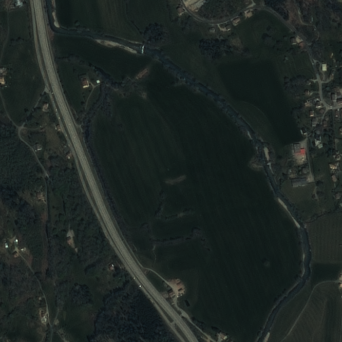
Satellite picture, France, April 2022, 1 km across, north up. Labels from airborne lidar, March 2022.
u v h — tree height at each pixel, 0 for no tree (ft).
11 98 0
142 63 0
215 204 0
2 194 83
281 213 0
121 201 0
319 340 0
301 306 0
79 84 0
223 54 47
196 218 0
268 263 67
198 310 0
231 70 0
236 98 0
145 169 0
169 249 0
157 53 0
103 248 58
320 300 0
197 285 0
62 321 0
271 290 0
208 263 0
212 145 0
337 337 0
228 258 0
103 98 59
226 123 0
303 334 0
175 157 0
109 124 0
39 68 0
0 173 20
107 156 0
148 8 0
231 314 0
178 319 0
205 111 0
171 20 22
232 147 0
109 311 96
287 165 0
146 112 0
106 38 0
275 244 0
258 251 0
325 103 0
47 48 0
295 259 0
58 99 0
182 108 0
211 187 0
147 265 0
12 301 35
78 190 33
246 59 0
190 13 0
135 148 0
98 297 0
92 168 0
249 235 0
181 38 0
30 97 0
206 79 0
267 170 0
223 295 0
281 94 0
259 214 0
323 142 0
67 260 77
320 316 0
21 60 0
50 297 0
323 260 0
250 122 0
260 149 34
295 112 51
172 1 0
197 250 0
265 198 0
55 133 0
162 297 0
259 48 0
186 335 0
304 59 0
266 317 0
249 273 0
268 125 0
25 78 0
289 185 0
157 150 0
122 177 0
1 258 0
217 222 0
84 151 0
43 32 0
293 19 0
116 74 0
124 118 0
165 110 0
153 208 0
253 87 0
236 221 0
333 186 0
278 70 0
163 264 0
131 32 0
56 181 58
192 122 0
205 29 0
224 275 0
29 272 22
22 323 0
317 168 0
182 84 68
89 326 0
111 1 0
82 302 83
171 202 0
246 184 0
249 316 0
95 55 0
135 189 0
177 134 0
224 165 0
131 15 0
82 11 0
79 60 50
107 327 89
